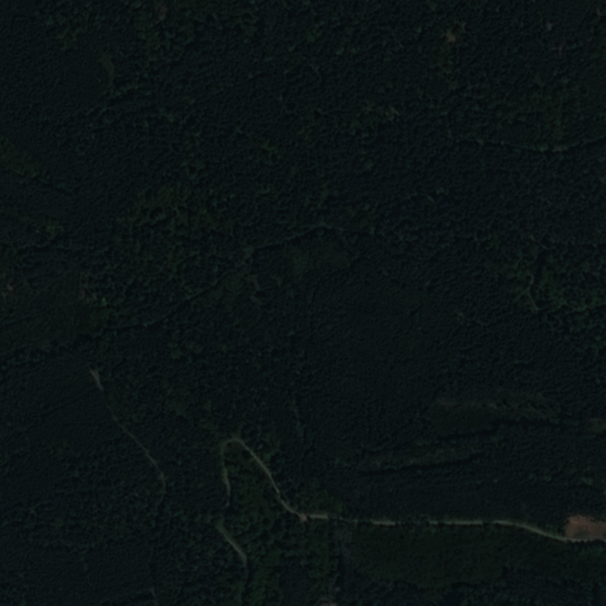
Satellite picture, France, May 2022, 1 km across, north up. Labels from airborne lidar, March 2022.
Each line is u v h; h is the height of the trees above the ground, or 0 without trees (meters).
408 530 22
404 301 12
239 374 20
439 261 21
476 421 6
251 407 22
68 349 21
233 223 7
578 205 27
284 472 20
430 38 16
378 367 15
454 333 21
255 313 18
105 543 20
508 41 18
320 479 18
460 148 33
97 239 24
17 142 25
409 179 29
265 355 25
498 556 11
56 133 24
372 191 26
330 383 17
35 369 26
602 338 14
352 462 15
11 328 10
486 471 26
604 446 20
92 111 16
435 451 17
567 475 18
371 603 24
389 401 14
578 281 19
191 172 23
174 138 28
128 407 21
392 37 24
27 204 29
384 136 29
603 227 32
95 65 15
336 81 28
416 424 21
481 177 28
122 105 24
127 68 17
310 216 27
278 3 28
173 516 10
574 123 14
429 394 19
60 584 27
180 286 18
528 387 22
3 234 18
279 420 20
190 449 17
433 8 26
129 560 28
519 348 22
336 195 8
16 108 22
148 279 13
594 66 12
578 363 18
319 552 19
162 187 17
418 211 30
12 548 26
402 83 23
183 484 13
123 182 28
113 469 13
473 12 20
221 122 35
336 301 12
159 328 26
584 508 24
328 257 19
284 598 35
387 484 18
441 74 17
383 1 22
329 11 23
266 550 29
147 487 14
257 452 21
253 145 19
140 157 30
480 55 18
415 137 31
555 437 30
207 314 17
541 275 21
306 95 30
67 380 14
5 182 28
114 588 26
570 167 26
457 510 17
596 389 32
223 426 23
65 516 17
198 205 16
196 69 29
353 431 21
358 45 29
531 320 23
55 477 17
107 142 30
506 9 14
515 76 20
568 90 14
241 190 14
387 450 27
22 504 18
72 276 9
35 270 25
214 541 30
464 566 13
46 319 10
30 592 26
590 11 10
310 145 14
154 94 24
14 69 23
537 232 28
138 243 13
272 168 16
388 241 10
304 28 27
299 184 20
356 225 17
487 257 30
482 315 17
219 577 26
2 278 6
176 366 32
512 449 29
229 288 23
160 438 20
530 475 20
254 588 30
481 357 24
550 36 10
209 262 19
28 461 18
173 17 15
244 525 25
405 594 32
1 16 18
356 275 16
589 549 21
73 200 31
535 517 24
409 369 14
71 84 20
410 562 15
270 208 20
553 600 33
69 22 26
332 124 21
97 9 19
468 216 38
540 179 23
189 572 27
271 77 23
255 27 10
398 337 11
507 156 23
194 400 16
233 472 12
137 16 24
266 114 32
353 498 16
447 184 34
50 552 20
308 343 19
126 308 16
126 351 19
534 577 27
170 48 28
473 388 24
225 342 21
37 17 17
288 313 16
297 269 21
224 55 26
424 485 21
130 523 18
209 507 19
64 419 21
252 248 13
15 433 19
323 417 16
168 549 29
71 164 26
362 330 9
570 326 26
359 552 14
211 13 9
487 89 19
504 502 22
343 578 31
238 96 26
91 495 20
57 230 21
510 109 20
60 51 20
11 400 15
